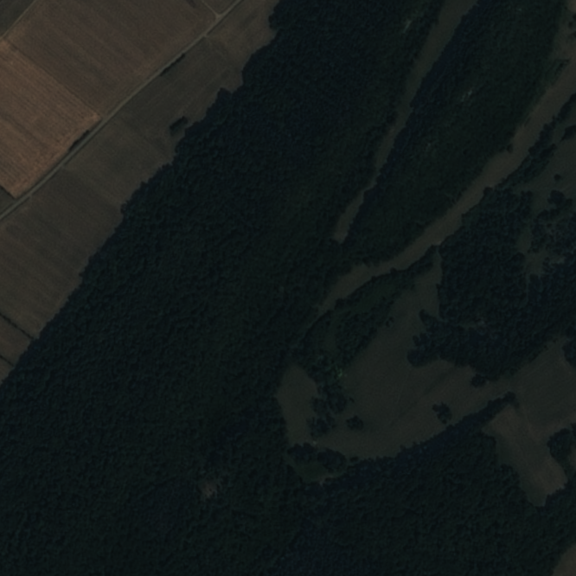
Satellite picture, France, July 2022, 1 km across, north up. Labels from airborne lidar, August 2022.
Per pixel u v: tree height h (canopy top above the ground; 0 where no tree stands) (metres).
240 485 8
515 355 27
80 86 0
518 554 20
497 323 22
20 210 0
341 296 0
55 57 0
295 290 22
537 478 0
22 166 0
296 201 10
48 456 18
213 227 20
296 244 21
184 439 20
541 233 24
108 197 0
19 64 0
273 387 24
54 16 0
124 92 0
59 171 0
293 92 15
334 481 7
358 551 23
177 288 20
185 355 16
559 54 0
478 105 18
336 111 22
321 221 24
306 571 30
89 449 18
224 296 14
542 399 0
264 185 16
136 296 15
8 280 0
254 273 16
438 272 0
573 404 0
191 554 13
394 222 16
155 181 10
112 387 20
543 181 0
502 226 10
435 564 14
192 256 15
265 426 30
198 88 0
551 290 30
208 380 15
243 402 8
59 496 20
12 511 17
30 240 0
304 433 0
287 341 27
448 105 17
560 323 19
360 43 18
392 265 0
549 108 0
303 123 27
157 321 20
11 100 0
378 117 14
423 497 21
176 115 0
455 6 0
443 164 17
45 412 17
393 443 0
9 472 18
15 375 15
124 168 0
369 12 21
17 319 0
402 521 17
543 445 0
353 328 10
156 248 23
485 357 27
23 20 0
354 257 18
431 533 19
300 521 9
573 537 16
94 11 0
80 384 17
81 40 0
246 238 17
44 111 0
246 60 0
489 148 18
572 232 8
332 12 21
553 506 18
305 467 0
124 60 0
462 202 0
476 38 15
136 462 14
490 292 28
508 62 15
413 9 10
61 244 0
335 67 20
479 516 19
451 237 6
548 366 0
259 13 0
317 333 10
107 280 18
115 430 18
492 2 21
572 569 0
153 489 21
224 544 15
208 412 10
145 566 21
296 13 23
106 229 0
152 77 0
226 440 26
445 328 23
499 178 0
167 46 0
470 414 0
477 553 7
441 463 19
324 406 20
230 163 16
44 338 17
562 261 0
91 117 0
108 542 20
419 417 0
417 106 19
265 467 10
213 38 0
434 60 0
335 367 12
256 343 20
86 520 13
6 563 18
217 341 14
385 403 0
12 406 23
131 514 22
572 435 21
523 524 15
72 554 15
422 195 17
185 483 22
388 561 16
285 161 18
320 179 14
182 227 18
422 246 0
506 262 12
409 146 18
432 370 0
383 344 0
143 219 18
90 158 0
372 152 28
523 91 11
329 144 12
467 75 17
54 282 0
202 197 16
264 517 8
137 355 17
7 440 21
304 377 0
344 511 28
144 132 0
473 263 20
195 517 19
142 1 0
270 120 16
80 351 19
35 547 20
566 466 12
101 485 11
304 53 22
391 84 18
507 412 0
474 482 23
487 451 21
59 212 0
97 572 23
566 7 10
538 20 16
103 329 13
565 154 0
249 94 18
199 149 22
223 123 22
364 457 0
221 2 0
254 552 7
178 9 0
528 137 0
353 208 0
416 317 0
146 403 17
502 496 14
